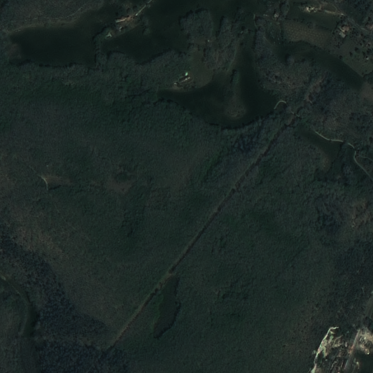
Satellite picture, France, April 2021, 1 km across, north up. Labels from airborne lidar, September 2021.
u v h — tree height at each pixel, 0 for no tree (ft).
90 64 0
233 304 45
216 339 46
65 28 0
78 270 35
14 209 35
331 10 0
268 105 0
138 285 42
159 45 0
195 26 66
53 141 40
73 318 28
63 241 30
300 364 59
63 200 42
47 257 37
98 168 50
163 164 45
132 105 74
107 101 88
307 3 26
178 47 0
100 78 70
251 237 49
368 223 37
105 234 49
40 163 45
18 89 75
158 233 44
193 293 32
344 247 58
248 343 48
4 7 52
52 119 41
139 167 42
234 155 57
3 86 59
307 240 40
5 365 49
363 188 60
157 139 56
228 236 42
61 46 0
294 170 57
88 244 35
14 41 0
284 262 47
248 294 42
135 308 37
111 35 0
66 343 56
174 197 43
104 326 68
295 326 34
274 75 17
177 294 53
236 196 65
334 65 0
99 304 44
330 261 61
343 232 42
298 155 40
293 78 44
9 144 43
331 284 33
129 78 76
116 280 37
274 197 68
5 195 50
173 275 59
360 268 31
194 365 44
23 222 21
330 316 43
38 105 47
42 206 29
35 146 47
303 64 57
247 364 53
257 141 29
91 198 40
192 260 41
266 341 51
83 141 45
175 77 54
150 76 73
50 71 73
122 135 48
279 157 42
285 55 0
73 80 66
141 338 50
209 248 44
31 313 0
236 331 49
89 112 43
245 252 49
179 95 0
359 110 45
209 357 47
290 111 72
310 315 41
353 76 0
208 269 39
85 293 49
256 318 55
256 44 61
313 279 55
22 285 33
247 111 0
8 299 51
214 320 40
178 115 72
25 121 44
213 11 0
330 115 67
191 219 41
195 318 47
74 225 42
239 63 0
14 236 27
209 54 56
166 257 41
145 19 56
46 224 31
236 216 62
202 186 78
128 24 0
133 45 0
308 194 70
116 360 76
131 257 42
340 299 29
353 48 0
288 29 0
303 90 31
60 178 27
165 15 0
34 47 0
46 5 40
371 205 60
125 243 63
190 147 52
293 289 59
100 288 35
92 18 0
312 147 18
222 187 57
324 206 30
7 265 45
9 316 56
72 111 42
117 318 51
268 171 52
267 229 44
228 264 33
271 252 44
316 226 48
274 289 49
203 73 0
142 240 42
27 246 21
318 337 38
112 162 52
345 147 43
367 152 23
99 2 79
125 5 0
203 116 0
